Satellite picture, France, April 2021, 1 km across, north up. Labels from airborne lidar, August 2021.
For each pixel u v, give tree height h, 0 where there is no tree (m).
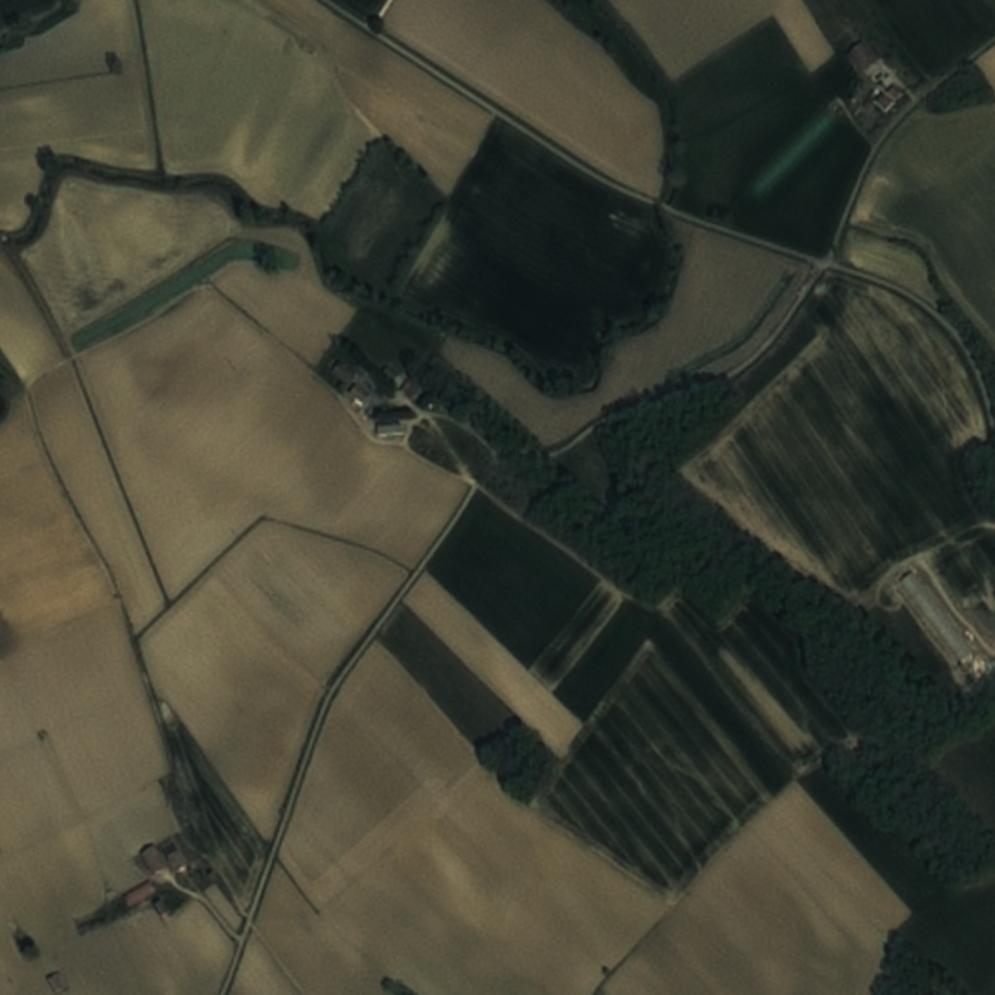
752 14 0
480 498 0
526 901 0
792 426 0
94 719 0
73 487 0
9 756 0
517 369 10
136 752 0
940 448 0
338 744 0
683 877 0
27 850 0
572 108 0
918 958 17
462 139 0
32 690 0
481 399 21
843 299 0
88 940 0
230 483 0
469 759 0
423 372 18
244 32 0
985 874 20
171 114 0
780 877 0
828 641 23
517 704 0
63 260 0
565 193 0
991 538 0
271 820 0
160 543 0
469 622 0
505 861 0
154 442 0
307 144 0
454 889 0
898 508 0
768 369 0
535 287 0
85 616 0
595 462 0
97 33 0
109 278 0
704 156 0
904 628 0
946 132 0
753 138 0
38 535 0
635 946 0
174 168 0
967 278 0
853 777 23
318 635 0
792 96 0
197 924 0
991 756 0
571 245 0
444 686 0
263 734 0
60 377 0
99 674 0
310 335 0
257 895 0
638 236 0
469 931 0
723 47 0
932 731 19
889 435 0
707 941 0
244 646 0
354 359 14
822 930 0
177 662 0
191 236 0
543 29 0
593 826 0
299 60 0
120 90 0
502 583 0
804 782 0
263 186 0
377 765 0
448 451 0
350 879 0
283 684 0
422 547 0
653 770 0
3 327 0
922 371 0
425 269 0
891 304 0
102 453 0
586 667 0
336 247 0
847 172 0
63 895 0
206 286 0
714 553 20
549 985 0
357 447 0
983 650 0
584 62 0
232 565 0
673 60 0
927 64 0
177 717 0
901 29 0
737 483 0
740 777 0
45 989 0
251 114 0
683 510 18
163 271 0
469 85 0
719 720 0
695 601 14
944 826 17
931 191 0
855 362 0
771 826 0
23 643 0
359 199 0
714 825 0
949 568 0
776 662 0
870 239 0
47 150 0
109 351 0
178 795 0
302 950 0
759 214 0
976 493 17
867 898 0
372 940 0
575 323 0
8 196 0
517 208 0
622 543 24
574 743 0
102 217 0
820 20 0
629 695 0
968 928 0
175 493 0
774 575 19
